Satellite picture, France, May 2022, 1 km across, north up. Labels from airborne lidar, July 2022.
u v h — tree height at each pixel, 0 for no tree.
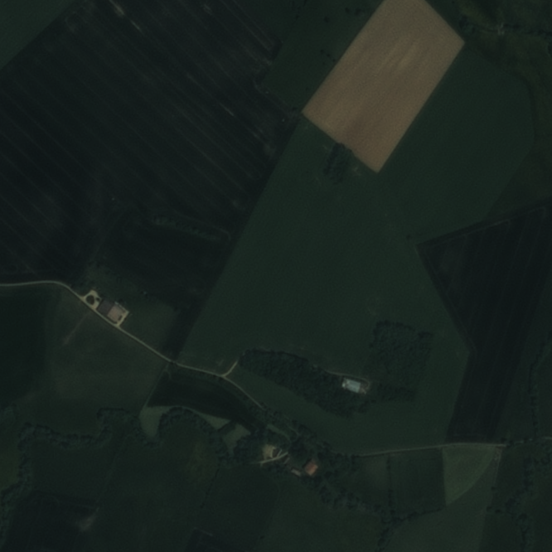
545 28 0
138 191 0
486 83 0
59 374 0
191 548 0
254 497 0
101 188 0
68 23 0
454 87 0
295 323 0
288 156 0
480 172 0
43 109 0
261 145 0
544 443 14
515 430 0
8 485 0
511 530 0
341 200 0
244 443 16
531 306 0
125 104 0
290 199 0
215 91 0
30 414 0
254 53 0
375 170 0
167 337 0
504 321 0
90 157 0
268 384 0
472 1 0
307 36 0
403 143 0
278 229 0
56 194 0
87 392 0
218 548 0
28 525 0
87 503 0
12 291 0
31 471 13
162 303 0
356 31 0
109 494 0
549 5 0
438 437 0
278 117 0
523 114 0
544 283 0
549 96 0
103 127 0
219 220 0
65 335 0
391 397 6
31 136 0
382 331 23
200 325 0
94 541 0
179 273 0
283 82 0
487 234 0
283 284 0
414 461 0
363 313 0
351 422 0
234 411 0
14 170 0
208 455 0
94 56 0
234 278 0
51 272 0
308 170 0
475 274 0
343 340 0
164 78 0
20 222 0
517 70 0
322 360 0
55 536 0
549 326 0
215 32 0
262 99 0
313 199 0
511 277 0
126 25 0
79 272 0
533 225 0
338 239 0
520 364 0
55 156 0
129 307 0
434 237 0
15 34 0
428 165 0
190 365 0
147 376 0
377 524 0
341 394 18
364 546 0
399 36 0
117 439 0
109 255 0
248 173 0
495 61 0
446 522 0
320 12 0
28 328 0
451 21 0
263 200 0
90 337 0
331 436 0
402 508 0
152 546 0
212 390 0
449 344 0
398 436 0
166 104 0
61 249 0
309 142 0
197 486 0
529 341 0
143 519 0
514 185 0
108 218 0
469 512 0
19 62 0
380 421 0
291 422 10
